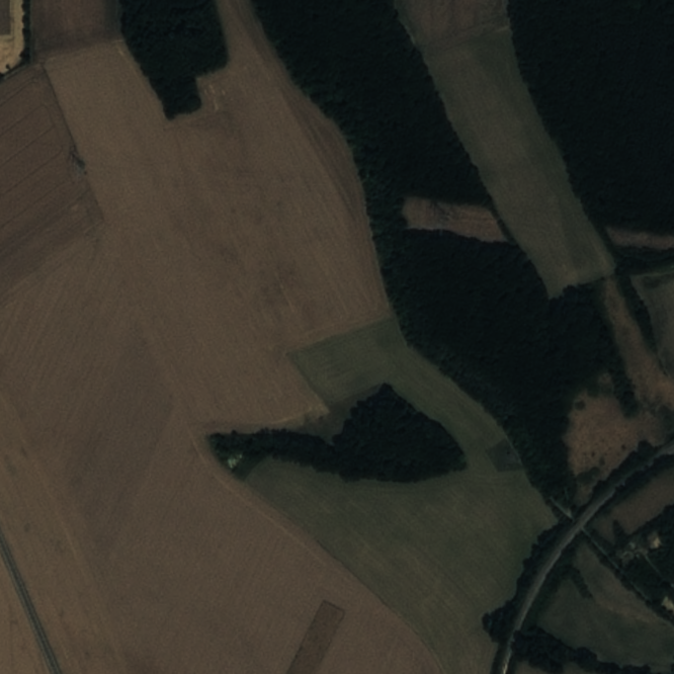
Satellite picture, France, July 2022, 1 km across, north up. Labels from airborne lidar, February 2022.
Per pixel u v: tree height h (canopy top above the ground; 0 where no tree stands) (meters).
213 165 0
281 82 0
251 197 0
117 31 0
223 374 0
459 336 21
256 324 0
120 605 0
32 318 0
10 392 0
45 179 0
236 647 0
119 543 0
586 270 0
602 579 0
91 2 0
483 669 0
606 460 0
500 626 22
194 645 0
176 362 0
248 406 0
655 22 21
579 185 19
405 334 14
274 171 0
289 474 0
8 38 0
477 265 25
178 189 0
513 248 17
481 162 0
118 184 0
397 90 20
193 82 16
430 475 9
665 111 17
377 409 26
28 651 0
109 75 0
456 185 21
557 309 24
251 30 0
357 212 0
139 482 0
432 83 17
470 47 0
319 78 16
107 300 0
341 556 0
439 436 23
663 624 0
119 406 0
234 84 0
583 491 0
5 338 0
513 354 22
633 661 0
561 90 24
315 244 0
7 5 0
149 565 0
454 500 0
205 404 0
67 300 0
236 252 0
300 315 0
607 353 18
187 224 0
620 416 0
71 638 0
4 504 0
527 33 24
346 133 16
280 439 23
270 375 0
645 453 13
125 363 0
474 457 0
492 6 0
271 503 0
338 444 19
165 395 0
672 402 0
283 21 23
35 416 0
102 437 0
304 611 0
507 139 0
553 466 16
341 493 0
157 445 0
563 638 0
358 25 23
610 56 20
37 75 0
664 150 18
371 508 0
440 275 21
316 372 0
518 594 9
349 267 0
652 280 0
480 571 0
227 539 0
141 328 0
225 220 0
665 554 9
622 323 0
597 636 0
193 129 0
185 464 0
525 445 15
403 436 24
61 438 0
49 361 0
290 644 0
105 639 0
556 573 15
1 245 0
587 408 0
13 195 0
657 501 0
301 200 0
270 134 0
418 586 0
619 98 22
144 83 0
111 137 0
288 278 0
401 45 22
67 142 0
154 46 25
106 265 0
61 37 0
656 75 21
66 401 0
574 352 24
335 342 0
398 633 0
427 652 0
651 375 0
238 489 0
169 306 0
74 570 0
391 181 12
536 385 22
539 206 0
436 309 22
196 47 30
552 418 19
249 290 0
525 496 0
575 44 18
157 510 0
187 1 30
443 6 0
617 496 10
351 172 0
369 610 0
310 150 0
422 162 21
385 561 0
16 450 0
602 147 24
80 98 0
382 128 19
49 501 0
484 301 23
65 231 0
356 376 0
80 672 0
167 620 0
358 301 0
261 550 0
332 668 0
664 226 18
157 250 0
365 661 0
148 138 0
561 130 19
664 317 0
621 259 7
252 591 0
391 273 16
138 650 0
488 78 0
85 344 0
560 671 17
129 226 0
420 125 24
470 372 17
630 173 23
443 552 0
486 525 0
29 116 0
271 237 0
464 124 0
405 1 0
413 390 0
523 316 24
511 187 0
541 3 25
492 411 18
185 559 0
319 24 23
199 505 0
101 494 0
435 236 19
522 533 0
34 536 0
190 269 0
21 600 0
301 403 0
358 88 19
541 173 0
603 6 25
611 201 24
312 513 0
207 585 0
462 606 0
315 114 0
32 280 0
